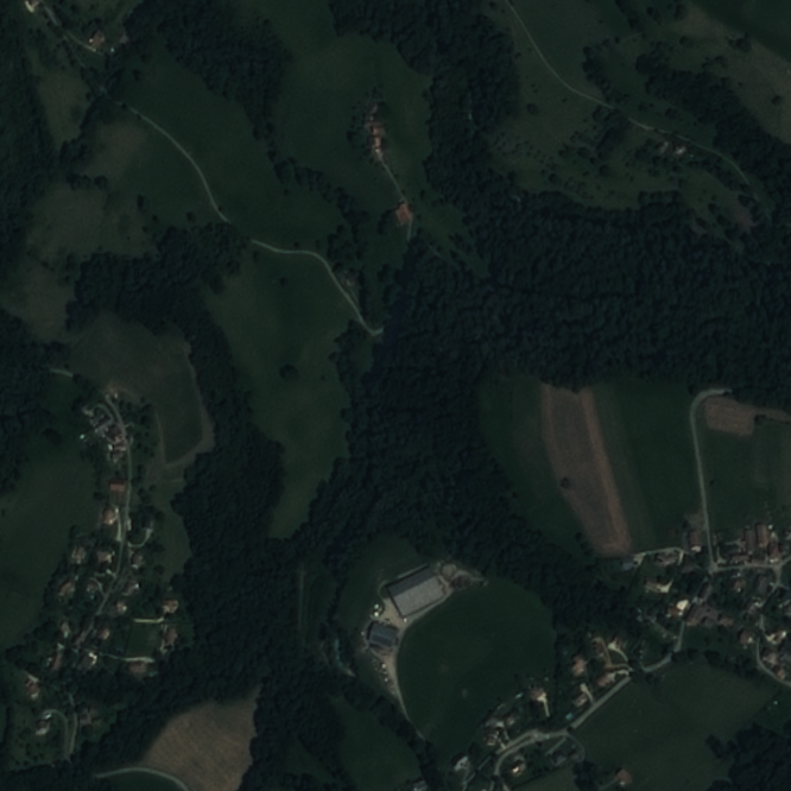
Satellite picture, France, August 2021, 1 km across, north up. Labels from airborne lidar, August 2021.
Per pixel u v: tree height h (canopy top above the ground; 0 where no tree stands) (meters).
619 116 18
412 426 23
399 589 0
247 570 12
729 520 0
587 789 20
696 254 35
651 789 0
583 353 21
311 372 0
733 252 30
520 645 0
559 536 0
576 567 22
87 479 0
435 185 14
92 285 14
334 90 0
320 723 29
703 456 0
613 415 0
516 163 0
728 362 30
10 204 12
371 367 0
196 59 29
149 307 23
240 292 0
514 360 26
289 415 0
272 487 18
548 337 34
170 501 0
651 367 21
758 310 23
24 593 0
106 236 0
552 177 11
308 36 0
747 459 0
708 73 10
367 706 19
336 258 15
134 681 11
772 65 0
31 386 15
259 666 22
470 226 21
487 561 31
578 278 25
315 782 22
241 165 0
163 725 15
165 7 27
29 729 8
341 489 17
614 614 20
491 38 16
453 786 0
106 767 22
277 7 0
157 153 0
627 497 0
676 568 12
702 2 0
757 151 16
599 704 0
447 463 29
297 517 0
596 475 0
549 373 22
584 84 0
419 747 20
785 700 0
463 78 34
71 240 0
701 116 20
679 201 22
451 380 24
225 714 0
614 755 0
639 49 0
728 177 28
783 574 0
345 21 20
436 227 0
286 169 24
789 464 0
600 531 0
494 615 0
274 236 0
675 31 0
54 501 0
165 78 0
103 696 21
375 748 0
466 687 0
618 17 0
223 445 18
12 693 12
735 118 14
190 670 26
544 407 0
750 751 26
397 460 22
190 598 15
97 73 20
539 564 23
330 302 0
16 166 6
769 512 0
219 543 24
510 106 19
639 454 0
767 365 15
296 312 0
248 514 17
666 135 10
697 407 0
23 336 24
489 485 28
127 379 0
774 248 23
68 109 0
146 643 0
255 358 0
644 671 10
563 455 0
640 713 0
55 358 24
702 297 26
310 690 21
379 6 33
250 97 22
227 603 10
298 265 0
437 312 26
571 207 17
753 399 22
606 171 14
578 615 24
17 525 0
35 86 16
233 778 0
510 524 31
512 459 0
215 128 0
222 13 16
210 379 14
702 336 25
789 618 11
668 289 26
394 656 0
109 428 7
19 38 14
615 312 24
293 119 0
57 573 9
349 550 28
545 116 0
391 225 14
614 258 25
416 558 0
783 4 0
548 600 12
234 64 28
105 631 0
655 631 8
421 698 0
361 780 0
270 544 19
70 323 10
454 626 0
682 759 0
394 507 29
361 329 22
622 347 29
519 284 21
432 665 0
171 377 0
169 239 15
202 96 0
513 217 34
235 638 27
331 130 0
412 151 0
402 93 0
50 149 23
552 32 0
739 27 0
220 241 8
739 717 0
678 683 0
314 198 0
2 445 22
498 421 0
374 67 0
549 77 0
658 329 29
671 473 0
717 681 0
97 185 11
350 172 0
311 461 0
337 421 0
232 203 0
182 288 23
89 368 0
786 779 28
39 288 0
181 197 0
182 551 0
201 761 0
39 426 16
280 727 26
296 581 15
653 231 27
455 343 25
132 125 0
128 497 0
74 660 20
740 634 0
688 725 0
